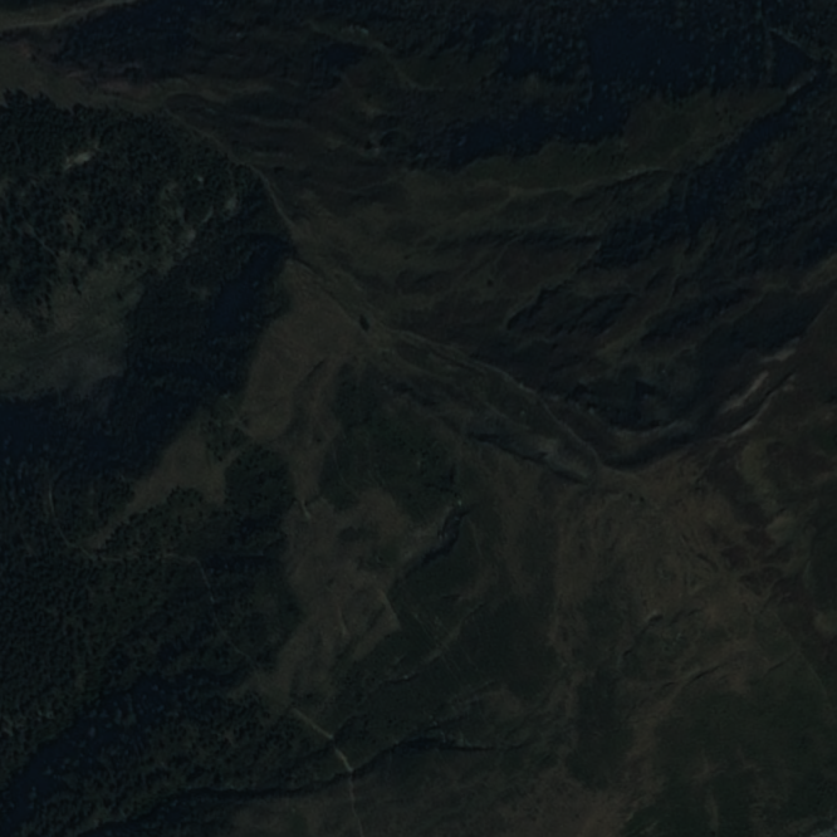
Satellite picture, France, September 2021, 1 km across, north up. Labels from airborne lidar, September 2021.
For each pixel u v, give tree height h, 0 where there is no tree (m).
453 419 0
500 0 0
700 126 0
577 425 0
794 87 0
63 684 12
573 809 0
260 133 0
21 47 0
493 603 0
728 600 0
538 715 0
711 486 0
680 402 0
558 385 0
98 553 8
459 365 0
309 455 0
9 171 9
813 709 0
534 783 0
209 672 6
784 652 0
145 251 14
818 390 0
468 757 0
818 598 0
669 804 0
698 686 0
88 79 0
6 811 13
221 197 7
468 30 6
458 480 0
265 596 0
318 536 0
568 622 0
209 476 0
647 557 0
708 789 0
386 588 0
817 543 0
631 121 0
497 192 0
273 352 0
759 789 0
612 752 0
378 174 0
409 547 0
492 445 0
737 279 0
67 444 7
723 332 0
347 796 0
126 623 11
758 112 0
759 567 0
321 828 0
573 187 0
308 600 0
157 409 6
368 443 0
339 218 0
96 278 0
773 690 0
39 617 7
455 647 0
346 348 0
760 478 0
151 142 8
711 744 0
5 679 18
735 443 0
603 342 0
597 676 0
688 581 0
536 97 0
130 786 12
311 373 0
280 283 0
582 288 0
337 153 0
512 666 0
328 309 0
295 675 0
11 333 0
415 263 0
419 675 0
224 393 8
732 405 0
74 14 0
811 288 0
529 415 0
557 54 7
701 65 6
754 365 0
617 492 0
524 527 0
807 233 0
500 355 0
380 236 0
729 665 0
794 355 0
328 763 0
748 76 6
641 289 0
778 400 0
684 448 0
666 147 0
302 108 0
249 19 0
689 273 0
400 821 0
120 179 11
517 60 9
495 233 0
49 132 9
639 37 11
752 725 0
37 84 0
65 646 15
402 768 0
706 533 0
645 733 0
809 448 0
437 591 0
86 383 0
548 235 0
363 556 0
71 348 0
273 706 0
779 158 0
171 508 8
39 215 12
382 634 0
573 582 0
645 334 0
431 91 0
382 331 0
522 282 0
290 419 0
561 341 0
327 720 0
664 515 0
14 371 0
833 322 0
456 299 0
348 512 0
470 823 0
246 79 0
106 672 10
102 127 7
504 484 0
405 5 6
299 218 0
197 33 0
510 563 0
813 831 0
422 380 0
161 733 14
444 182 0
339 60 6
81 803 16
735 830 0
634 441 0
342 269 0
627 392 0
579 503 0
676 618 0
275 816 0
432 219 0
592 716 0
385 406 0
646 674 0
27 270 7
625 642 0
